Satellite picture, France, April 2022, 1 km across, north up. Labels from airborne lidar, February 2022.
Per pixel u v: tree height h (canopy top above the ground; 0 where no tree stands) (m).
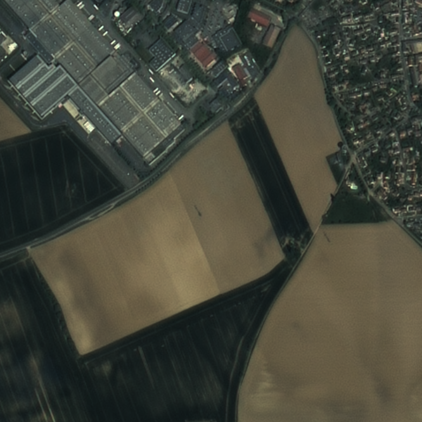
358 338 0
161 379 0
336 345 0
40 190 0
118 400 0
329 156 0
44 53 0
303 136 0
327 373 0
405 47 0
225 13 0
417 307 0
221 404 0
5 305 0
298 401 0
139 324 0
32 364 0
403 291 0
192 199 0
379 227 0
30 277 0
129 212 0
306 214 0
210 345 0
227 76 0
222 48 0
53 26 0
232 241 0
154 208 0
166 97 0
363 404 0
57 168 0
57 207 0
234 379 0
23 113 0
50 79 0
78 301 0
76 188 0
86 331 0
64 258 0
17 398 0
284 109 0
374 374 0
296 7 14
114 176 0
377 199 0
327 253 0
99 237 0
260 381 0
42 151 0
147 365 0
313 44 0
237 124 0
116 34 0
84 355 0
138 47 7
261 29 0
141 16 0
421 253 0
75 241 0
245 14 8
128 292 0
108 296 0
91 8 0
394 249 0
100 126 0
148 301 0
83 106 0
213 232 0
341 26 0
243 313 0
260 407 0
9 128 0
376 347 0
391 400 0
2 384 0
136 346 0
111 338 0
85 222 0
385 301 0
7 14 0
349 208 0
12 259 0
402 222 0
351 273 0
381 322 0
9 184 0
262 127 0
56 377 0
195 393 0
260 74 0
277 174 0
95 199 0
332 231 0
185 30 0
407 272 0
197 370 0
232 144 0
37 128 0
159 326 0
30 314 0
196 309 0
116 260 0
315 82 0
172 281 0
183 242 0
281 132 0
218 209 0
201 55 0
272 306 0
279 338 0
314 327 0
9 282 0
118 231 0
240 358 0
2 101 0
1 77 0
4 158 0
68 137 0
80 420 0
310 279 0
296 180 0
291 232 0
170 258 0
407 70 0
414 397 0
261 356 0
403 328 0
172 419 0
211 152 0
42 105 0
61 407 0
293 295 0
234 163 0
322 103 0
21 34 0
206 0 0
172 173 0
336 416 0
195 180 0
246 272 0
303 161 0
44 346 0
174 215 0
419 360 0
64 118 0
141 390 0
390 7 0
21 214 0
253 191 0
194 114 0
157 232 0
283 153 0
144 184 0
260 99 0
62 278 0
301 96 0
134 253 0
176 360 0
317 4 0
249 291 0
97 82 0
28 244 0
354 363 0
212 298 0
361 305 0
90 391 0
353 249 0
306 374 0
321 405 0
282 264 0
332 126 0
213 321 0
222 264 0
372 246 0
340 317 0
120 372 0
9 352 0
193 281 0
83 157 0
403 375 0
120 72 0
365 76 0
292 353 0
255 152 0
